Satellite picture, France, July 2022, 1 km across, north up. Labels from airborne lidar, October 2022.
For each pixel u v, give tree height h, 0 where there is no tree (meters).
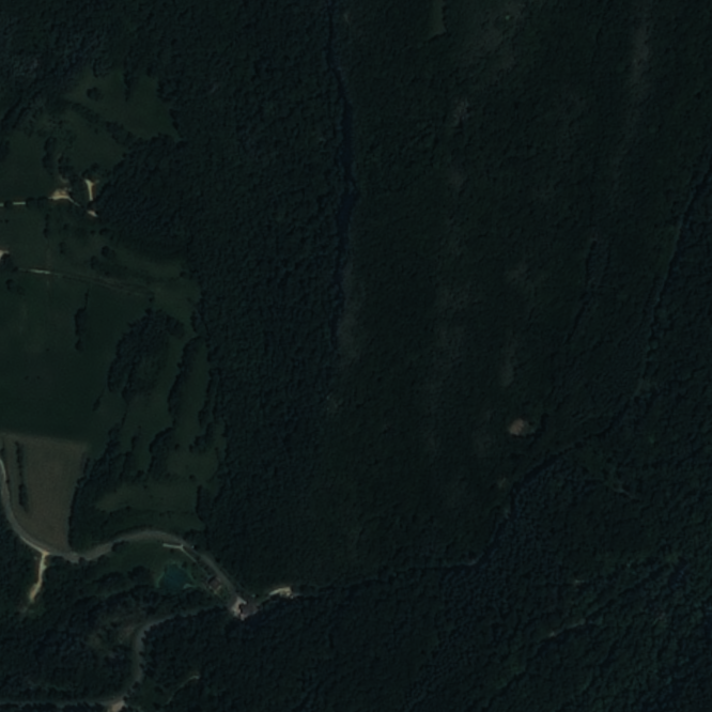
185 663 21
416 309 20
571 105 13
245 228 17
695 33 21
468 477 15
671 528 18
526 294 12
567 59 17
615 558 14
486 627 30
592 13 14
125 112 0
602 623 14
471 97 18
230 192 14
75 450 0
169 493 0
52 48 14
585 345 15
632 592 15
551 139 10
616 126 18
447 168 12
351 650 24
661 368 18
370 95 16
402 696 26
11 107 7
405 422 22
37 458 0
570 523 23
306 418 21
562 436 12
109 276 14
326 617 27
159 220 18
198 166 9
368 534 20
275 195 17
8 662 17
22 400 0
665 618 20
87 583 19
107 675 18
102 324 0
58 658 41
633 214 19
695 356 10
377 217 20
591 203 16
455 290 12
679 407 19
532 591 21
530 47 19
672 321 12
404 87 17
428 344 21
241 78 14
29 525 0
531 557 26
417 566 18
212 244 15
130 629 0
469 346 14
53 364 0
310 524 18
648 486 18
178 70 18
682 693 26
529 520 27
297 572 13
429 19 20
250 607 0
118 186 19
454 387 14
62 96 13
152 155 23
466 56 5
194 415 0
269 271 14
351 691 19
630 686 12
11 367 0
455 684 22
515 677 9
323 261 21
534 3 13
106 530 14
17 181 0
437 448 7
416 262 22
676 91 25
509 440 18
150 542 0
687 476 23
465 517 13
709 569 6
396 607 16
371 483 19
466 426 13
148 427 0
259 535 28
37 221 0
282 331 20
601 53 17
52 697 12
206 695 12
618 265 19
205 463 0
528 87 18
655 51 16
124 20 14
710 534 13
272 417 23
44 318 0
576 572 15
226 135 14
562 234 17
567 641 20
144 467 0
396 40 19
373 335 12
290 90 21
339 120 17
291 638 18
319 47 22
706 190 28
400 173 8
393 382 19
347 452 20
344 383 10
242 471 13
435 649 27
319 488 8
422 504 15
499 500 15
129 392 15
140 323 9
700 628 16
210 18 26
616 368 18
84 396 0
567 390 20
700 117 17
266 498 26
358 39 8
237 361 15
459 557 22
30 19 15
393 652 13
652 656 12
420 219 19
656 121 18
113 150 0
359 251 13
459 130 18
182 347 0
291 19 22
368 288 11
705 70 16
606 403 27
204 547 14
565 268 18
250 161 14
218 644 16
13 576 24
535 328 19
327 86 17
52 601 14
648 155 24
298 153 17
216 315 15
